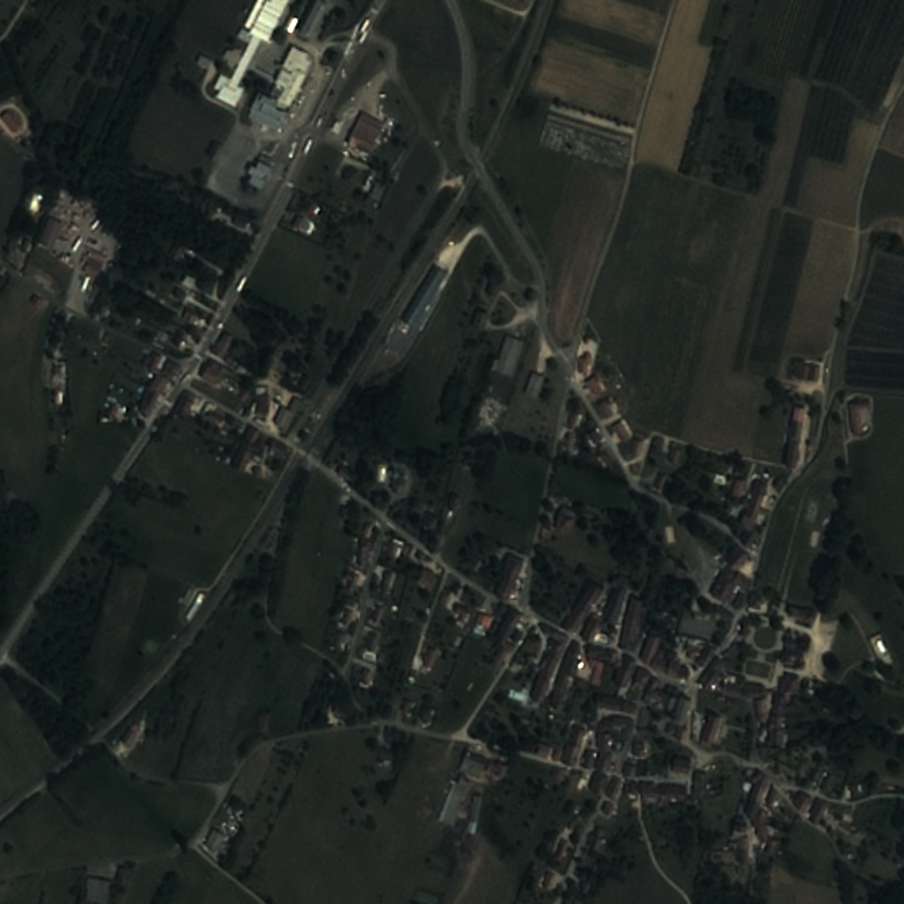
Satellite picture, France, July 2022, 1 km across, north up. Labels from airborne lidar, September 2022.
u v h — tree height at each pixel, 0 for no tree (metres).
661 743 15
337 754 0
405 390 20
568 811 9
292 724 0
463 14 0
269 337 16
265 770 0
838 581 19
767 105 9
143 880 0
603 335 0
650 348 0
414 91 0
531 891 10
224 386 0
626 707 0
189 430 0
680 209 0
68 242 0
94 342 0
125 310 12
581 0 0
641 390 0
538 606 10
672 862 0
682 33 0
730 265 0
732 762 0
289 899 0
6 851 10
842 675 0
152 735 7
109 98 7
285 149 0
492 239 0
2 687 0
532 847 0
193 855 0
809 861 0
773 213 0
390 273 0
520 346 0
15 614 0
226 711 0
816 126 0
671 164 0
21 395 0
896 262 0
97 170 10
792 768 7
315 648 0
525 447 16
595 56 0
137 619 0
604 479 6
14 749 0
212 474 0
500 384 0
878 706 0
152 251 13
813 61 0
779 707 0
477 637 0
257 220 12
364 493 15
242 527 0
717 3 0
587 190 0
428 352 0
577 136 0
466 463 6
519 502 0
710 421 0
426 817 0
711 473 8
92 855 0
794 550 0
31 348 0
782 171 0
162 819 0
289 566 0
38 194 0
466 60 0
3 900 0
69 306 0
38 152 9
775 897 0
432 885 0
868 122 0
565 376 0
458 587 7
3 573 7
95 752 15
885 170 0
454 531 0
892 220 0
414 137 0
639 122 0
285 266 0
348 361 12
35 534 22
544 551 9
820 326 0
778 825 6
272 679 0
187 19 0
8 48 13
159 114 0
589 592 0
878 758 0
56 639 9
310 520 0
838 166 0
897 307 0
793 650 0
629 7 0
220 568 0
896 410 0
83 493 0
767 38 0
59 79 0
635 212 0
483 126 0
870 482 0
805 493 0
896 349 0
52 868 0
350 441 18
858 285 0
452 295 0
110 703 0
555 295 0
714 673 0
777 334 0
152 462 0
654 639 0
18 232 13
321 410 0
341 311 0
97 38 11
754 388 0
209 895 0
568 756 0
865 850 6
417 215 0
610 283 0
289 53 0
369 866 0
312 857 0
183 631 0
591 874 17
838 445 0
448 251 0
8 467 0
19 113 0
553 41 0
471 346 8
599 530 11
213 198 10
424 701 7
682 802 7
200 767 0
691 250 0
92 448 0
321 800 0
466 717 0
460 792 0
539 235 0
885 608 0
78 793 0
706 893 6
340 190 0
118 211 17
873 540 0
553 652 0
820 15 0
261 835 0
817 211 0
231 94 0
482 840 0
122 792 0
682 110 0
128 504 10
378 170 7
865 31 0
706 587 0
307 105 0
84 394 0
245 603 10
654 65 0
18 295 0
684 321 0
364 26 0
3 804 0
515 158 0
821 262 0
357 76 0
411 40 0
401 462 11
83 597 17
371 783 0
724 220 0
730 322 0
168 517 0
